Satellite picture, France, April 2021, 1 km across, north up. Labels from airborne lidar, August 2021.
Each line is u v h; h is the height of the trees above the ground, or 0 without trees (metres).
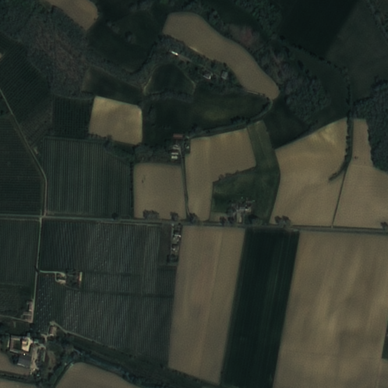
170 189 0
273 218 0
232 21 0
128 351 0
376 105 16
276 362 0
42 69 12
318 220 0
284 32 0
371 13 10
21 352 0
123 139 0
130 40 11
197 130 24
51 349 0
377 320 0
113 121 0
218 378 0
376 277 0
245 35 0
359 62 0
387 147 23
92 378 0
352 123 10
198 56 12
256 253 0
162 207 0
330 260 0
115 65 16
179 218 26
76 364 0
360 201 0
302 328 0
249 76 0
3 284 0
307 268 0
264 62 17
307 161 0
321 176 0
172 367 0
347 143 8
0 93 7
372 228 0
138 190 0
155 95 12
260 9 15
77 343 0
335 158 0
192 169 0
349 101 7
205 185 0
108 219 0
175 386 0
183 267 0
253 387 0
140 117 0
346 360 0
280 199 0
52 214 0
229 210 11
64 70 12
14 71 6
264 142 0
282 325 0
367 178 0
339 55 0
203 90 0
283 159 0
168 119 0
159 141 0
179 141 7
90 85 0
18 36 24
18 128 0
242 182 0
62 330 0
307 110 18
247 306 0
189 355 0
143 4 23
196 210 0
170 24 0
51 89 19
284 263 0
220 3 0
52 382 15
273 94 0
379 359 0
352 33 0
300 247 0
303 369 0
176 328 0
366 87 0
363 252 0
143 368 0
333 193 0
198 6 22
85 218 0
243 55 0
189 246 0
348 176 0
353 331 0
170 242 7
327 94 20
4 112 12
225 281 0
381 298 0
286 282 0
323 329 0
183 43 15
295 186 0
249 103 0
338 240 0
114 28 10
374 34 0
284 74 19
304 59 0
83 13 0
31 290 0
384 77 0
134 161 9
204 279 0
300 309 0
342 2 0
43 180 0
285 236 0
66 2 0
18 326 0
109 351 0
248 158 0
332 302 0
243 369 0
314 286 0
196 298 0
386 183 0
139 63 0
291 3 0
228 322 0
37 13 19
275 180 0
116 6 0
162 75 0
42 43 12
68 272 7
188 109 0
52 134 11
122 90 0
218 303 0
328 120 0
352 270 0
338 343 0
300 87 19
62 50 12
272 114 0
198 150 0
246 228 0
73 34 20
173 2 15
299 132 0
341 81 0
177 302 0
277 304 0
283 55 21
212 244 0
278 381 0
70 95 17
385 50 0
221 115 0
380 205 0
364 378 0
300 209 0
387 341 0
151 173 0
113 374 0
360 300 0
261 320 0
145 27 0
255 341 0
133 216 0
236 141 0
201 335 0
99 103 0
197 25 0
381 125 12
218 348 0
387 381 0
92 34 0
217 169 0
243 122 23
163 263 0
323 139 0
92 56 16
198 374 0
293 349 0
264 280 0
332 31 0
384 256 0
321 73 0
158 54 9
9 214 0
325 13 0
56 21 19
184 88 0
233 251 0
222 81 19
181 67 15
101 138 14
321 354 0
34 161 0
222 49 0
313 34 0
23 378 6
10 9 16
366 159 0
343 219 0
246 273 0
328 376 0
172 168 0
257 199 0
